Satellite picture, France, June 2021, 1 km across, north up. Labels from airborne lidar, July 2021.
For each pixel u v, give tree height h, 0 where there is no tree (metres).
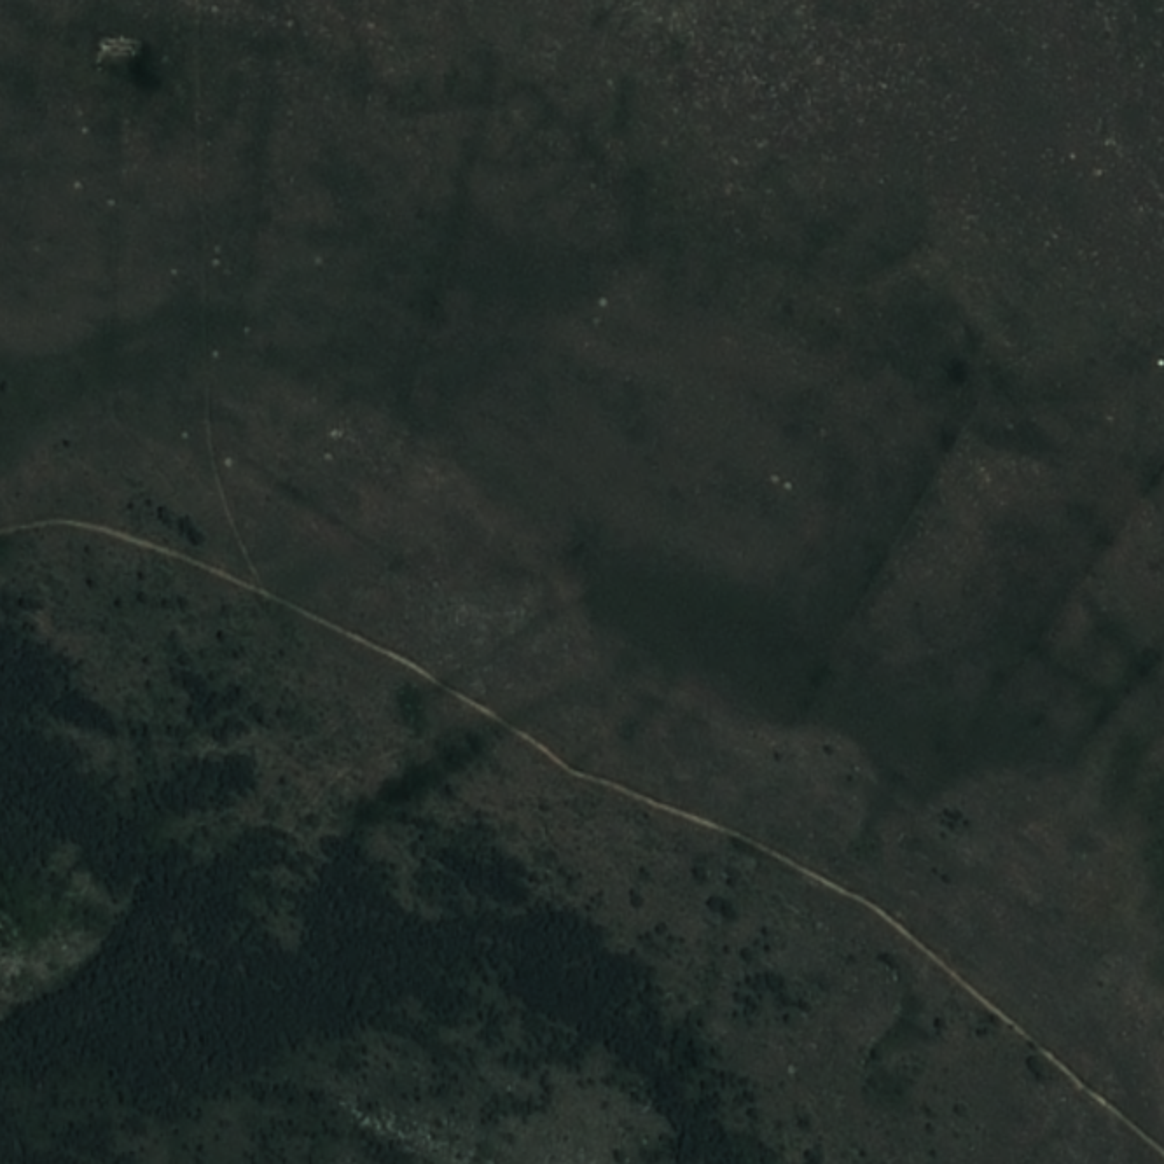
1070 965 0
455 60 0
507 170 0
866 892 0
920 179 0
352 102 0
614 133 0
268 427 0
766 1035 0
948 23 0
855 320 0
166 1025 12
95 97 0
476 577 0
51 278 0
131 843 9
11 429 0
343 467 0
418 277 0
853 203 0
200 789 7
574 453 0
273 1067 6
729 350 0
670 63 0
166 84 0
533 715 0
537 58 0
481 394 0
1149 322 0
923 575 0
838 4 0
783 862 0
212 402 0
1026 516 0
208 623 0
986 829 0
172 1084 10
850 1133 0
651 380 0
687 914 0
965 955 0
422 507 0
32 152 0
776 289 0
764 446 0
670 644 0
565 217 0
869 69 0
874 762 0
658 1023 8
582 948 8
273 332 0
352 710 0
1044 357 0
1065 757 0
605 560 0
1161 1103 0
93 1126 7
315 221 0
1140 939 0
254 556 0
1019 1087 0
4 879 7
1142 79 0
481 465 0
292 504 0
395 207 0
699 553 0
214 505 0
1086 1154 0
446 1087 7
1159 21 0
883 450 0
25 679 8
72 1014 11
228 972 9
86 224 0
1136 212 0
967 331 0
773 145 0
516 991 9
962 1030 0
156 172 0
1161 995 0
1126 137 0
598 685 0
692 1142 9
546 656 0
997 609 0
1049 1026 0
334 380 0
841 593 0
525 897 10
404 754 0
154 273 0
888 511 0
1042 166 0
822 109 0
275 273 0
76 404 0
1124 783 0
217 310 0
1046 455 0
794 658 0
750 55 0
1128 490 0
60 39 0
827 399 0
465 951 10
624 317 0
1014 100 0
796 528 0
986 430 0
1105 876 0
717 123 0
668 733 0
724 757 0
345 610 0
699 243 0
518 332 0
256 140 0
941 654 0
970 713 0
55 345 0
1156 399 0
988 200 0
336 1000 12
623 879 0
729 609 0
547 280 0
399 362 0
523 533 0
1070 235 0
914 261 0
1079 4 0
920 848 0
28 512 0
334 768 0
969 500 0
